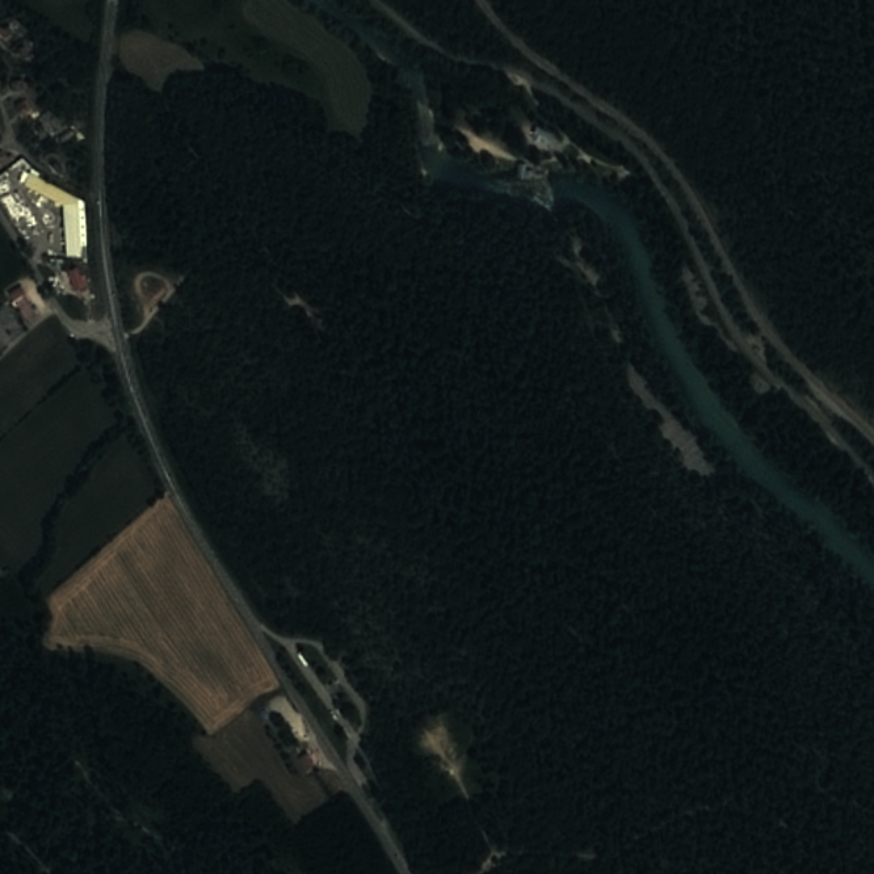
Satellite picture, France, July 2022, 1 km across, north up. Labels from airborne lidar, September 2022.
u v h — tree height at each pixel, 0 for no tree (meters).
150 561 0
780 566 33
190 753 17
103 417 0
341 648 7
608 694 19
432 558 10
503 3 16
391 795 19
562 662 16
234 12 0
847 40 16
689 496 19
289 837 8
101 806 21
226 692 0
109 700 29
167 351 13
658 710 16
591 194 0
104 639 0
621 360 22
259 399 8
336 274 20
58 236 0
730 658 13
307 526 8
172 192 12
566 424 18
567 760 17
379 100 14
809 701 13
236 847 31
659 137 10
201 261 14
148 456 14
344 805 13
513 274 15
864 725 17
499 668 12
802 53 20
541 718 15
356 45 21
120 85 9
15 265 0
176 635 0
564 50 9
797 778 8
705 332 9
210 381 9
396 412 18
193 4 0
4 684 18
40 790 32
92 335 0
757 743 17
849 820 17
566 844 12
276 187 13
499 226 19
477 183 0
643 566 17
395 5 10
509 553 16
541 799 11
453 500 16
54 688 16
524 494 20
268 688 0
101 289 0
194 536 0
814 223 20
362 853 11
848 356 8
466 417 20
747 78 16
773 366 17
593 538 23
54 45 14
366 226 12
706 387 0
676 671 17
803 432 17
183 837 16
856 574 14
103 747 34
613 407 15
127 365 0
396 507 10
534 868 8
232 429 6
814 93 14
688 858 16
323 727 0
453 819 23
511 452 22
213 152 15
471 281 28
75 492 17
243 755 0
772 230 15
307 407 16
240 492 8
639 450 11
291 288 15
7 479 0
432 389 15
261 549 10
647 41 14
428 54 18
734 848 12
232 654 0
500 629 12
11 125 0
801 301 15
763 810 12
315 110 8
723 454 13
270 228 13
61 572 0
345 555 12
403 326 22
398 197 21
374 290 26
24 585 16
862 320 12
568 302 16
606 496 20
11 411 0
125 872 27
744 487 32
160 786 10
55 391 7
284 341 16
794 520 33
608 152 20
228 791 17
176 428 13
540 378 18
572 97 11
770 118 9
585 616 16
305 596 7
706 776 12
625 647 11
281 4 0
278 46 0
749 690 16
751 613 14
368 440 17
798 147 10
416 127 10
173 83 13
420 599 8
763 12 14
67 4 0
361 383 16
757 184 15
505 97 14
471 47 14
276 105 27
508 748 8
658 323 0
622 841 17
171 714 15
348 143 15
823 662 20
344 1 24
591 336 18
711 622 12
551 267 17
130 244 9
